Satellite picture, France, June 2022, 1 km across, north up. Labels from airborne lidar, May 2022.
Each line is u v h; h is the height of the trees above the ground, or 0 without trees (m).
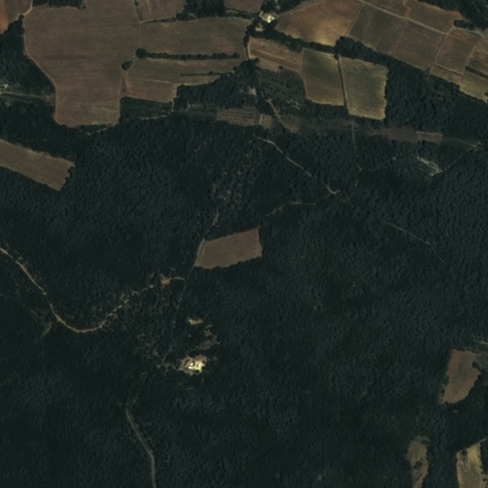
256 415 16
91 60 0
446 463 13
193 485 17
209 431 13
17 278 6
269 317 7
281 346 8
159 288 12
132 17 0
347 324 13
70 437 9
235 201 21
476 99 9
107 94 0
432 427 17
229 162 7
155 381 12
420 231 6
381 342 9
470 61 0
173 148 7
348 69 0
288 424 13
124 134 11
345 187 8
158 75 0
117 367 11
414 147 17
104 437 18
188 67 0
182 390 6
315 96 0
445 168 9
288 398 12
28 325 7
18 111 11
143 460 15
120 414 12
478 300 14
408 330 9
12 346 7
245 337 13
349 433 12
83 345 8
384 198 8
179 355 8
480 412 10
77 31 0
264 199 10
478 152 6
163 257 16
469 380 0
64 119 0
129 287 7
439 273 13
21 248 7
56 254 7
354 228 10
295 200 16
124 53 0
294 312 13
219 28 0
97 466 10
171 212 8
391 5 0
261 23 9
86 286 15
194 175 7
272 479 11
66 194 15
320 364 15
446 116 19
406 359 14
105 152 12
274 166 16
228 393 10
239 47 0
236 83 13
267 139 15
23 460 7
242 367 14
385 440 12
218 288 14
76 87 0
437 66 0
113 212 15
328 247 12
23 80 9
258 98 14
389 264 15
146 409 13
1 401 8
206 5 18
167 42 0
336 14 0
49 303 9
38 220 9
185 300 13
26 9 0
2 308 9
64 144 11
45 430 10
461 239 17
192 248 13
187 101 8
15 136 7
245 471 9
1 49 13
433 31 0
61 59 0
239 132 10
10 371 7
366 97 0
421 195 9
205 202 11
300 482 8
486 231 14
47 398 17
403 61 7
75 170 18
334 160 15
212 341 16
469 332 19
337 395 16
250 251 0
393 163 13
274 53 0
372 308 16
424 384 15
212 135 8
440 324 19
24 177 11
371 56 17
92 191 15
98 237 9
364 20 0
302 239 12
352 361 10
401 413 13
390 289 14
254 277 10
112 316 7
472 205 18
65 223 14
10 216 11
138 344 17
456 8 17
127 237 22
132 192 18
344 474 11
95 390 10
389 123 24
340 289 14
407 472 13
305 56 0
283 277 12
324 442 16
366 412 9
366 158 15
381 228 8
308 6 0
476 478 0
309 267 16
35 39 0
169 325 17
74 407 18
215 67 0
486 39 0
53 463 10
